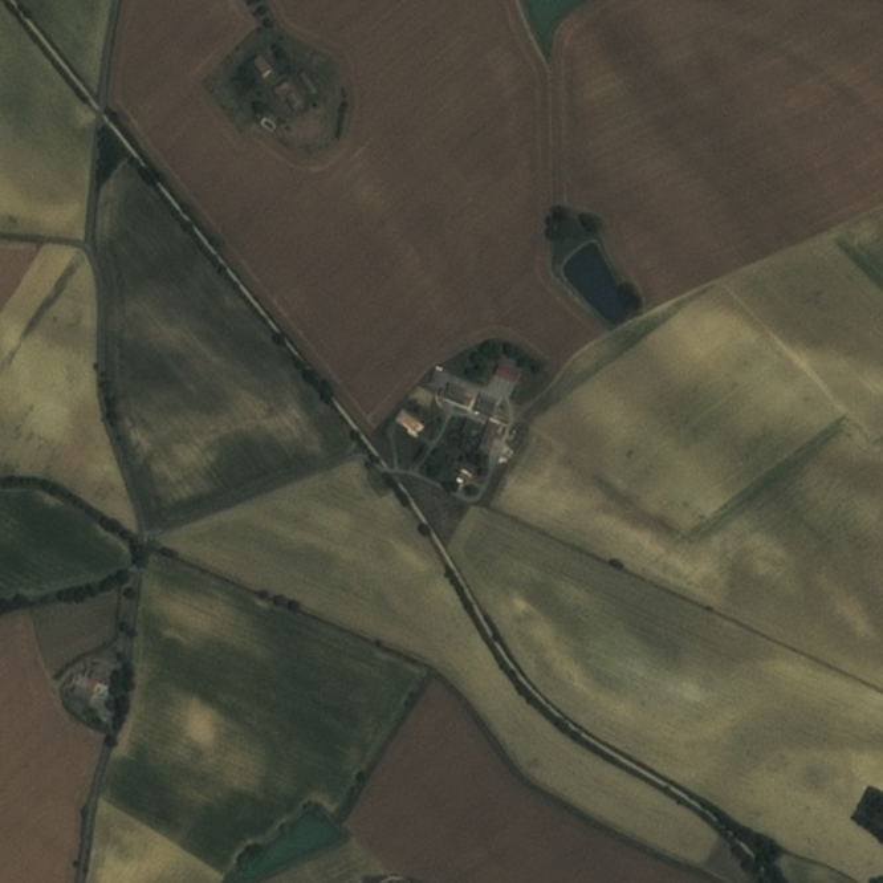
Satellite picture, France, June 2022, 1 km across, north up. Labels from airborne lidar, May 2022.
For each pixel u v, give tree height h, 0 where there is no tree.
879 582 0
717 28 0
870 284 0
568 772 0
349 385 0
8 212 0
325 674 0
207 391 0
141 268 0
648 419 0
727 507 0
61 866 0
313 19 0
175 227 0
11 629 0
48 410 0
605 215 0
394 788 0
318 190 0
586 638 0
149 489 0
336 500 0
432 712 0
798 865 0
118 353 0
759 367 0
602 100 0
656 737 0
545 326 0
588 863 0
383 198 0
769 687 0
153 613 0
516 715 0
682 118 0
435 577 0
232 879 0
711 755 0
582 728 6
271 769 0
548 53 0
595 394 0
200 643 0
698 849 0
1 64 0
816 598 0
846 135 0
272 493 0
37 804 0
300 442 0
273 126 0
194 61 0
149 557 20
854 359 0
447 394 0
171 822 0
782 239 0
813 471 0
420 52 0
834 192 0
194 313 0
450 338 0
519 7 0
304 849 0
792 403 0
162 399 0
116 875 0
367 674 0
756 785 0
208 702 0
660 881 0
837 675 0
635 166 0
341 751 0
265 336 0
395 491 6
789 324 0
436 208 0
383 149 0
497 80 0
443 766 0
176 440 0
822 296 0
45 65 0
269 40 0
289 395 0
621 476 0
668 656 0
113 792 0
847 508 0
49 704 0
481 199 0
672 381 0
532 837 0
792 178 0
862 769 0
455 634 0
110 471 0
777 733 0
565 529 0
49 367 0
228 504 0
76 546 0
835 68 0
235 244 0
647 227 0
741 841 14
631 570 0
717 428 0
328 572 0
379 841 0
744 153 0
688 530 0
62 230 0
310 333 0
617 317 0
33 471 0
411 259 0
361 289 0
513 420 0
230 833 0
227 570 0
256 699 0
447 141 0
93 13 0
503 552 0
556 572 0
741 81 0
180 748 0
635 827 0
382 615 0
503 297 0
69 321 0
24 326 0
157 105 0
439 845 0
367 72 0
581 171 0
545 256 0
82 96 10
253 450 0
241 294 6
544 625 0
